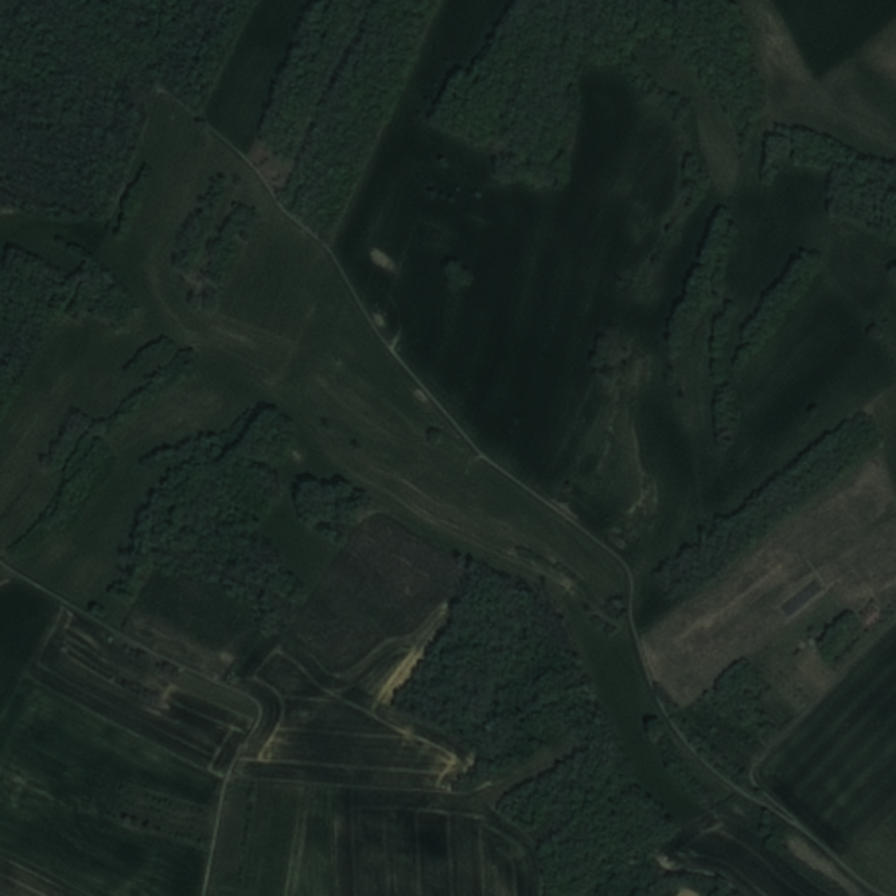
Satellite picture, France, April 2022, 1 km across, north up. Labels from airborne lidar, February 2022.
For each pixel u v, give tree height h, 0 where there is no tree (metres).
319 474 0
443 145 0
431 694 15
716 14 22
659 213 0
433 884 0
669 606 0
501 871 0
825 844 0
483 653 20
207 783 0
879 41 0
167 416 0
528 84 19
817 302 0
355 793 0
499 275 0
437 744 0
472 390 0
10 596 0
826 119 0
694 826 0
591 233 0
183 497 16
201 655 0
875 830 0
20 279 16
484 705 22
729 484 0
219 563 23
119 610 0
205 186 0
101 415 0
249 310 0
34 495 0
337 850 0
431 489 0
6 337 26
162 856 0
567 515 0
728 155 0
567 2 18
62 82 20
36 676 0
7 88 22
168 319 0
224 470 20
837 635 13
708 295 18
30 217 13
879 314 0
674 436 0
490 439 0
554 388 0
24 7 19
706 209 0
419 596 0
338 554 0
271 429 23
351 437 0
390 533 0
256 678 0
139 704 0
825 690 0
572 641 20
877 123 0
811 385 0
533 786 14
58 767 0
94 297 11
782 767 0
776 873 0
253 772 0
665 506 0
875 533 0
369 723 0
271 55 0
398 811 0
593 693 19
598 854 17
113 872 0
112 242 0
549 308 0
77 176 23
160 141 0
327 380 0
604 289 0
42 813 0
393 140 0
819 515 0
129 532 0
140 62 22
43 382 0
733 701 10
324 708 0
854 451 12
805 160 12
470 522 0
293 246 0
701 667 0
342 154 19
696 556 14
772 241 0
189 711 0
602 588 0
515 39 20
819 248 0
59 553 0
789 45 0
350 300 0
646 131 0
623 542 0
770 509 16
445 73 0
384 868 0
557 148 20
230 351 0
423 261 0
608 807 14
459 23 0
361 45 19
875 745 0
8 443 0
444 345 0
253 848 0
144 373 0
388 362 0
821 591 0
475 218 0
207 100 14
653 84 13
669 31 23
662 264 14
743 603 0
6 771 0
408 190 0
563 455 0
